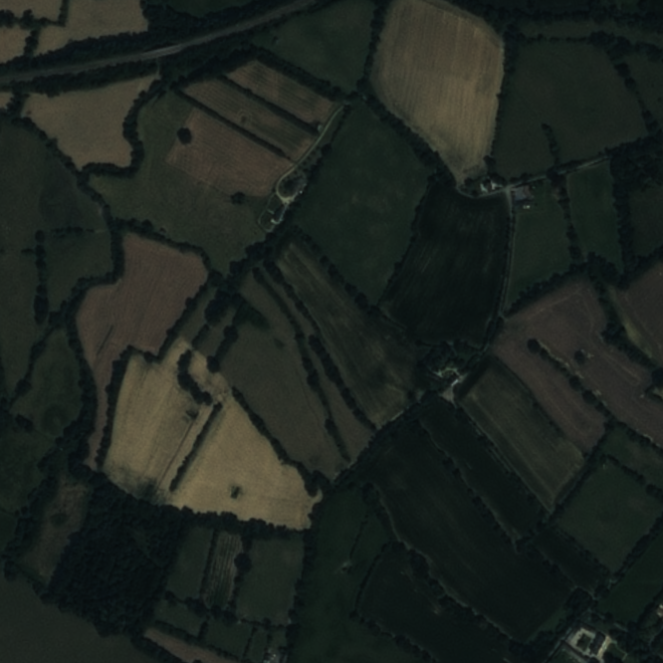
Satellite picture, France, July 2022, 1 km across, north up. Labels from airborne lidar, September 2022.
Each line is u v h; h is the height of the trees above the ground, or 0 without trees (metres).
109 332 0
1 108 0
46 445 0
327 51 0
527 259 0
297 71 8
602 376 0
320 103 0
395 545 13
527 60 0
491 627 15
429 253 0
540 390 0
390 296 0
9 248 0
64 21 9
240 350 0
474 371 11
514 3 0
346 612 0
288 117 9
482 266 0
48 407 0
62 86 20
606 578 9
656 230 0
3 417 31
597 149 0
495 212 0
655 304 0
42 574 0
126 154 0
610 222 0
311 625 0
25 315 0
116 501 11
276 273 19
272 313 0
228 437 0
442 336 0
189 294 0
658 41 0
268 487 0
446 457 7
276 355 0
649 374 0
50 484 8
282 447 13
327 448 0
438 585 15
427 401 14
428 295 0
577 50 0
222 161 0
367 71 8
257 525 19
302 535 12
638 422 0
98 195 9
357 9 0
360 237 0
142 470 0
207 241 0
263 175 0
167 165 0
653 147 19
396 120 12
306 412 0
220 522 11
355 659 0
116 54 11
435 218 0
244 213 0
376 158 0
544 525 14
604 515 0
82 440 6
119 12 0
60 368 0
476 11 14
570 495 5
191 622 0
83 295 11
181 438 0
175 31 21
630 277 15
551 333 0
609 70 0
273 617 0
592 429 0
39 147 0
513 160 0
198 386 14
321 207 0
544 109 0
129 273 0
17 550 10
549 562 12
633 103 0
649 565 0
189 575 0
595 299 0
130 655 0
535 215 0
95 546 10
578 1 0
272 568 0
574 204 0
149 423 0
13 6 0
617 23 21
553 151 12
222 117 6
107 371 0
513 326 0
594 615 10
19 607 0
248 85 0
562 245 0
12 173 0
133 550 16
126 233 10
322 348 12
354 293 15
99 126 0
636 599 0
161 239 13
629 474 10
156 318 0
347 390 9
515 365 0
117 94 0
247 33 11
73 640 0
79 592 14
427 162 17
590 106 0
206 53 21
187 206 0
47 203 0
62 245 0
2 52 0
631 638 19
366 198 0
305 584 13
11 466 0
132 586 17
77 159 0
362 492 7
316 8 9
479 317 0
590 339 0
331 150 12
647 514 0
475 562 0
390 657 0
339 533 0
